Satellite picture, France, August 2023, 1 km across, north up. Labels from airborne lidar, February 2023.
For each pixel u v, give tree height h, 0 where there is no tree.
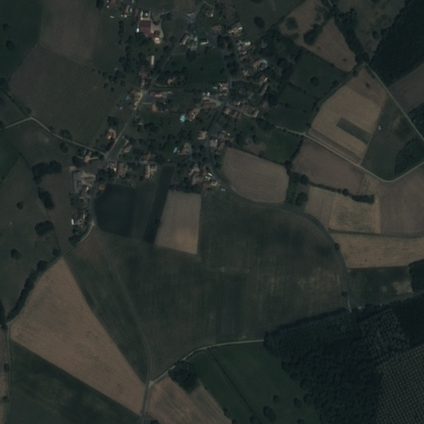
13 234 0
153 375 0
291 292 0
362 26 0
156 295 0
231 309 0
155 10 0
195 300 0
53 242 0
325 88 0
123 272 0
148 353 0
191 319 0
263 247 0
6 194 0
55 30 0
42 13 0
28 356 0
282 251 0
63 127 0
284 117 0
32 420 0
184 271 0
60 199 0
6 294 0
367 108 0
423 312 8
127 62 11
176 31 0
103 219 0
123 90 0
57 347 0
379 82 0
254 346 0
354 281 0
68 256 0
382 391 27
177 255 0
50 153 0
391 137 0
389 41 13
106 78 10
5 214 0
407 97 0
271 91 15
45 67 0
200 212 0
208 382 0
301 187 0
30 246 0
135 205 0
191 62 10
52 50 0
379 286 0
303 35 0
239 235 0
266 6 0
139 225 0
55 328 0
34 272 17
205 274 0
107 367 0
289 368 21
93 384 0
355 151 0
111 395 0
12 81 0
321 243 0
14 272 0
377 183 0
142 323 0
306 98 0
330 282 0
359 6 0
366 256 0
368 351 15
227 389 0
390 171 0
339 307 0
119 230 0
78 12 0
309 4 0
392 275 0
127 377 0
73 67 0
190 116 0
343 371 28
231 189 0
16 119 0
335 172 0
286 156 0
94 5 0
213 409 0
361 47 15
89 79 0
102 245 0
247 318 0
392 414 28
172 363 0
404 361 32
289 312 0
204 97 0
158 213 0
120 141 0
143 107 0
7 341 0
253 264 0
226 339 0
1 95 0
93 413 0
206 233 0
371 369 13
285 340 35
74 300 0
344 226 0
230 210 0
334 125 0
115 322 0
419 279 10
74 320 0
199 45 0
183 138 11
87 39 0
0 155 0
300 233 0
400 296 0
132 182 0
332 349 17
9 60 0
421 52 9
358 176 0
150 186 0
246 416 0
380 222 0
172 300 0
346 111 0
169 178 0
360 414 21
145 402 0
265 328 0
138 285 0
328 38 0
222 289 0
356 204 0
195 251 0
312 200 0
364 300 0
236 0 0
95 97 0
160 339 0
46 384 0
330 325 33
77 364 0
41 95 0
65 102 0
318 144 0
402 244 0
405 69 10
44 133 0
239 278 0
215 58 0
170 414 0
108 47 0
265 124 20
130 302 0
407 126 0
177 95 0
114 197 0
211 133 0
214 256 0
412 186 0
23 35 0
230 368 0
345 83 0
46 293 0
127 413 0
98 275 0
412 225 0
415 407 32
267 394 0
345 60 0
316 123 0
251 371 0
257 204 0
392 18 0
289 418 0
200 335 0
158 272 0
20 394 0
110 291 0
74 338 0
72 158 0
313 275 0
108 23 0
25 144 0
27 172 0
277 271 0
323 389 21
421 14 11
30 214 0
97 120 0
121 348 0
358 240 0
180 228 0
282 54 0
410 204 0
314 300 0
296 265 0
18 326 0
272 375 0
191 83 0
